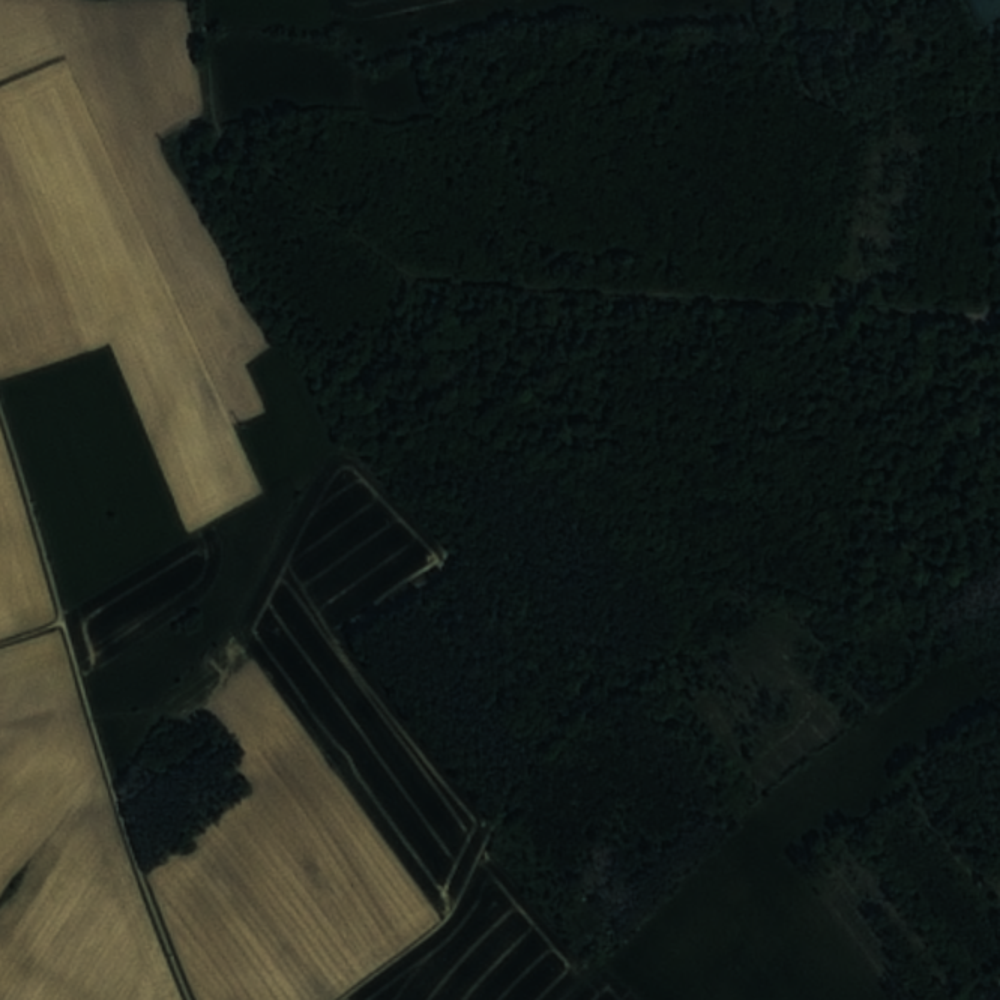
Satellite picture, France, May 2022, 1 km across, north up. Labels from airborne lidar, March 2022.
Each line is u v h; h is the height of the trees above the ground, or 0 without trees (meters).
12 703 0
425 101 19
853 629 26
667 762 21
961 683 0
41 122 0
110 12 0
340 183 13
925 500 26
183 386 0
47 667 0
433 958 0
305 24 0
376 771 0
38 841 0
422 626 22
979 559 28
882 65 26
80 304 0
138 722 0
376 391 26
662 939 0
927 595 22
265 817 0
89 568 0
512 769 19
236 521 0
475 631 16
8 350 0
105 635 0
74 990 0
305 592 0
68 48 0
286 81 0
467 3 0
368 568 0
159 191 0
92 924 0
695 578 26
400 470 18
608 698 20
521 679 23
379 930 0
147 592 0
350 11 0
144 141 0
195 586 0
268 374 0
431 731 21
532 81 6
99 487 0
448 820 0
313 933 0
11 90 0
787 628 0
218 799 22
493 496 17
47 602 0
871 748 0
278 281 11
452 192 12
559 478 27
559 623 22
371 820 0
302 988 0
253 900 0
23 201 0
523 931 0
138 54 0
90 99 0
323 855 0
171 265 0
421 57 21
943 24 16
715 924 0
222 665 0
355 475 0
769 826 0
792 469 21
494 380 19
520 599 21
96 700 0
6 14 0
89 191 0
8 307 0
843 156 20
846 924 0
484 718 15
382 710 0
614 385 17
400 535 0
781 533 15
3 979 0
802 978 0
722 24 19
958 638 19
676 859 21
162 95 0
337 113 6
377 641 23
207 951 0
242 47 0
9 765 0
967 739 27
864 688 17
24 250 0
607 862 14
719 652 0
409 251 10
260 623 0
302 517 0
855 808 0
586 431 17
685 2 0
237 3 0
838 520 22
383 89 0
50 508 0
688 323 16
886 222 0
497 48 23
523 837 16
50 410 0
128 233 0
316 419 0
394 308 26
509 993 0
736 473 13
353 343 24
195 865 0
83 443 0
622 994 0
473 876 0
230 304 0
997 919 19
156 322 0
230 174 25
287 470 0
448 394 28
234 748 21
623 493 23
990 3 0
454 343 27
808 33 23
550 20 21
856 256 0
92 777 0
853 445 21
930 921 29
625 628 20
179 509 0
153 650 0
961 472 26
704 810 21
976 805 16
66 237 0
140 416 0
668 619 25
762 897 0
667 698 26
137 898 0
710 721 0
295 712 0
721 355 22
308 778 0
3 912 0
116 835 0
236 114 0
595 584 19
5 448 0
